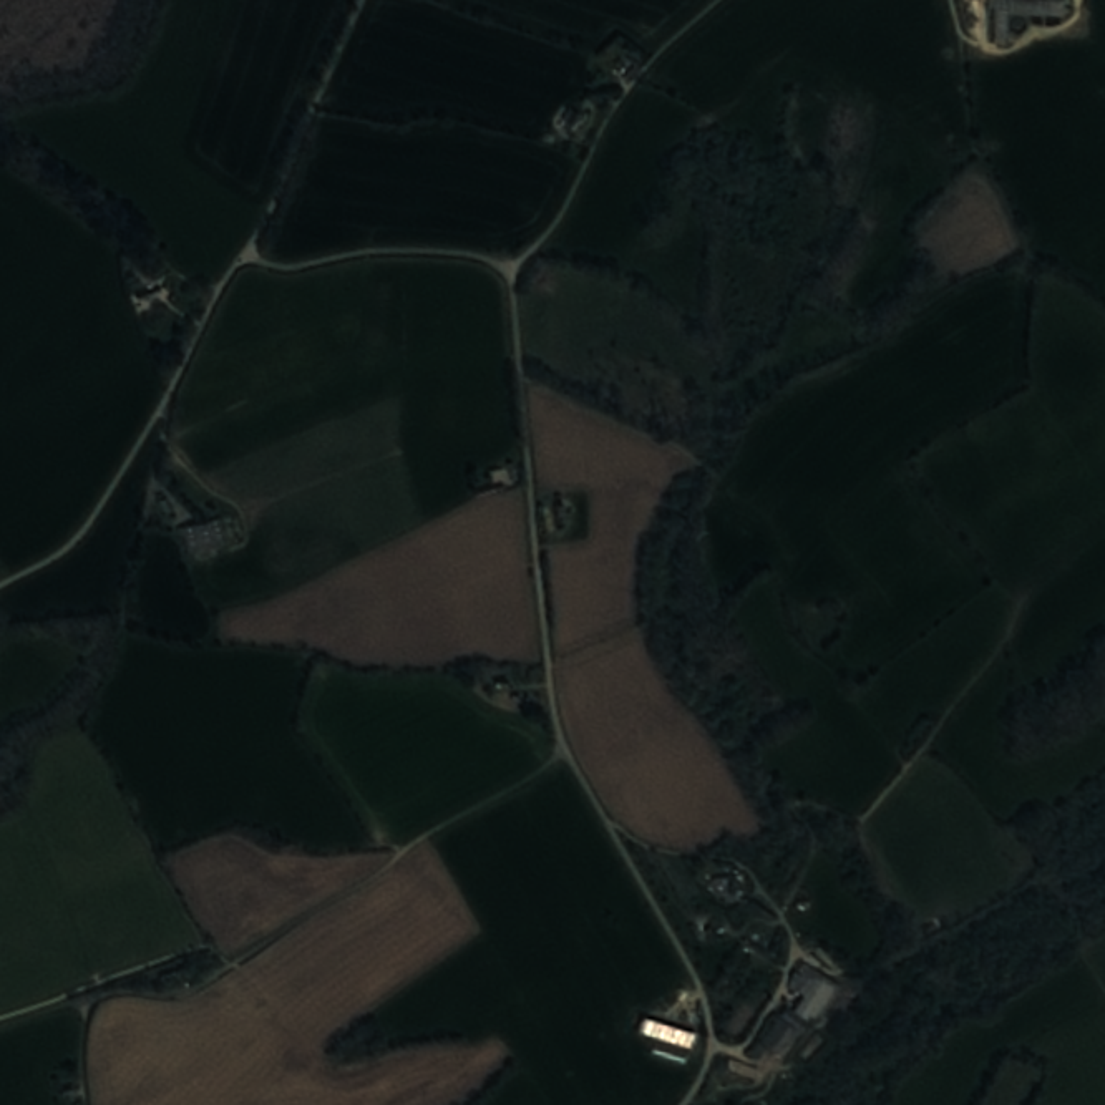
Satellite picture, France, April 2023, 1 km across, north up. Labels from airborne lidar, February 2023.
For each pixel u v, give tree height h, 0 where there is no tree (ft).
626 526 0
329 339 0
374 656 0
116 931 0
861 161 0
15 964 0
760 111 0
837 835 34
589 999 0
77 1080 29
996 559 0
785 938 21
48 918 0
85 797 0
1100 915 41
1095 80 0
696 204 37
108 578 0
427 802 0
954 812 0
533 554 0
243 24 0
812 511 0
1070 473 0
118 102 0
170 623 0
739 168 42
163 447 31
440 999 0
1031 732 72
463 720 0
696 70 0
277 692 0
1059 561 0
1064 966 25
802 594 0
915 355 0
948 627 0
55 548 0
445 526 0
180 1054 0
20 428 0
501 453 0
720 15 0
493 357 0
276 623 0
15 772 58
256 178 0
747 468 0
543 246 0
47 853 0
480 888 0
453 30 0
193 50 0
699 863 34
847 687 52
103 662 53
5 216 0
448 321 0
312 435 0
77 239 0
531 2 0
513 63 0
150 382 0
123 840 0
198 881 0
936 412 0
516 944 0
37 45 0
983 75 0
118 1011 0
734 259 0
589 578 0
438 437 0
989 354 0
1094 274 0
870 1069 23
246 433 0
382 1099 0
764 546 0
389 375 0
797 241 0
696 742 0
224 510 0
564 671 0
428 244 0
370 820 0
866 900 19
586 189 0
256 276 0
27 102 50
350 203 0
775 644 0
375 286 0
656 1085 0
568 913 0
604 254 0
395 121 41
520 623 0
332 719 0
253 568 0
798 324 0
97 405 0
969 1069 0
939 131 0
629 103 0
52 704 46
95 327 0
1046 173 0
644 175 0
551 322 0
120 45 46
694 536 35
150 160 0
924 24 0
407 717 0
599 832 0
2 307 0
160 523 30
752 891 20
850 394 0
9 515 0
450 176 0
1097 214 0
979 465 0
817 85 0
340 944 0
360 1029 43
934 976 94
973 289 0
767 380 53
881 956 27
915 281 75
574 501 0
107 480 0
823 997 0
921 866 0
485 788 0
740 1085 0
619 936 0
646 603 68
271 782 0
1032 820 70
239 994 0
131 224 83
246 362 0
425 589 0
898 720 0
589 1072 0
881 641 0
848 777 0
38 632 34
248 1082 0
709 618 62
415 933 0
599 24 0
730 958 34
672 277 0
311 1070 0
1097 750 0
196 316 43
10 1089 0
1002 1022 0
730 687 29
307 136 48
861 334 50
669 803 0
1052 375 0
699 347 73
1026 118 0
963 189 0
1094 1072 0
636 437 0
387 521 0
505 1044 0
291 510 0
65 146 0
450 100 0
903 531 0
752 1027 19
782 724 62
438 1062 0
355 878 0
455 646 0
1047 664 0
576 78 0
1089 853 48
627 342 0
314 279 0
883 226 0
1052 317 0
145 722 0
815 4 0
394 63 0
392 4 0
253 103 0
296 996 0
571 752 0
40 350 0
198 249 0
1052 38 0
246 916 0
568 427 0
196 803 0
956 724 0
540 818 0
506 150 0
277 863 0
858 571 0
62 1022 0
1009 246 0
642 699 0
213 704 0
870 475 0
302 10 0
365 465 0
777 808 55
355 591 0
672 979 0
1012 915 33
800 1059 0
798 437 0
